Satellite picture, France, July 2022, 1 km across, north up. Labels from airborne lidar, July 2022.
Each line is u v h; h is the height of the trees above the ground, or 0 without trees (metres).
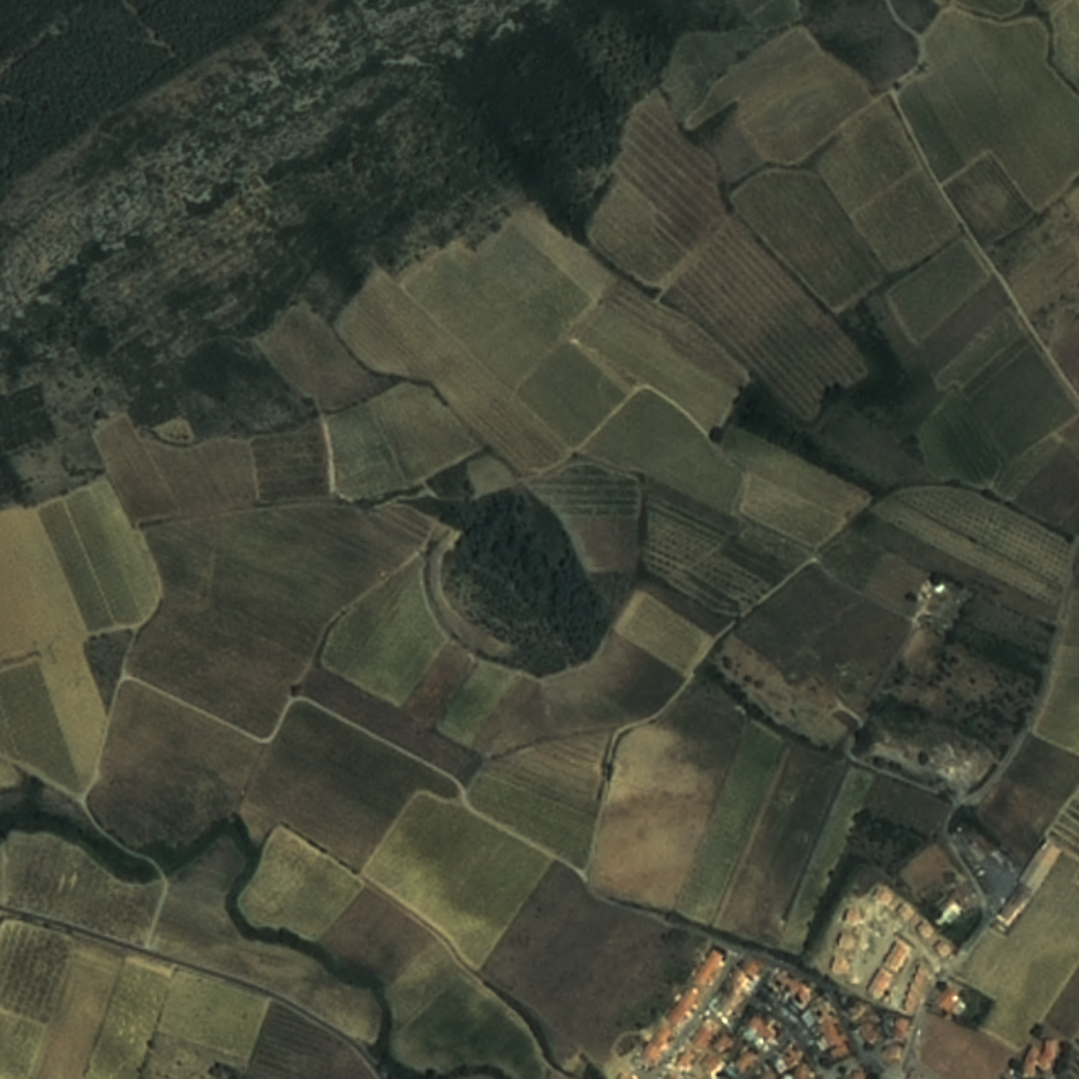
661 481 0
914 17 0
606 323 0
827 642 0
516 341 0
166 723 0
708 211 0
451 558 0
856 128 0
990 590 0
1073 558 0
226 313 0
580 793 0
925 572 0
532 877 0
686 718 0
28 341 9
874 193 0
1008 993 0
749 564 0
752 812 0
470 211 12
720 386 0
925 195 0
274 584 0
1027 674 7
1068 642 0
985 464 0
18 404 6
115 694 0
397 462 0
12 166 8
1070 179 0
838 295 0
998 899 0
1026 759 0
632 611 0
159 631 0
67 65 8
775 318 0
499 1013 0
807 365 0
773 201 0
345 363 0
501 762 0
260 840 0
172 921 0
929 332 0
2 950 0
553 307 0
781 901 0
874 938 0
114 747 0
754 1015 10
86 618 0
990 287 0
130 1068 0
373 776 0
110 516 0
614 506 0
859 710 0
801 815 0
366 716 0
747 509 0
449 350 0
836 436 0
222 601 0
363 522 0
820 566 0
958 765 0
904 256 0
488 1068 6
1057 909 0
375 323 0
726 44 0
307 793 0
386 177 7
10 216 0
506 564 11
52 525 0
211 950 0
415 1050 0
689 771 0
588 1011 0
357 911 0
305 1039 0
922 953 0
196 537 0
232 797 0
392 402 0
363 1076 0
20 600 0
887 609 0
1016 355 0
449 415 0
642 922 0
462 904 0
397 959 0
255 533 0
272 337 0
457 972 0
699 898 0
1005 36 0
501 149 7
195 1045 0
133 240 7
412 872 0
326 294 0
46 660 0
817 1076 0
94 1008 0
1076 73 0
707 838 0
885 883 0
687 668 0
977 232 0
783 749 0
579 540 0
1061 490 0
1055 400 0
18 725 0
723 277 0
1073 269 0
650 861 0
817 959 0
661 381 0
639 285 6
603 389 0
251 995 0
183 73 8
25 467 0
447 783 0
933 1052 0
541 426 0
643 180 0
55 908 0
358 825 0
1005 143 0
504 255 0
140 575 0
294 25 0
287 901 0
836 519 0
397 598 0
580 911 0
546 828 0
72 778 0
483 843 0
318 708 0
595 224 0
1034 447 0
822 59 0
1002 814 0
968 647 7
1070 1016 0
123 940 0
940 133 0
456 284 0
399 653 0
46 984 0
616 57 13
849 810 0
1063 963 0
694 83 0
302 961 0
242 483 0
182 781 0
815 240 0
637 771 0
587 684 0
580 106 11
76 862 0
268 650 0
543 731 0
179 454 0
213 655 0
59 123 9
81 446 0
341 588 0
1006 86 0
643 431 0
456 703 0
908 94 0
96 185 0
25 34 7
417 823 0
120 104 9
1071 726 0
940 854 0
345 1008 0
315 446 0
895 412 0
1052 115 0
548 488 0
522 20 7
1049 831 0
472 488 6
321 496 0
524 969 0
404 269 0
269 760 0
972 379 0
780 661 0
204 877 0
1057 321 0
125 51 7
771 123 0
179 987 0
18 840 0
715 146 0
